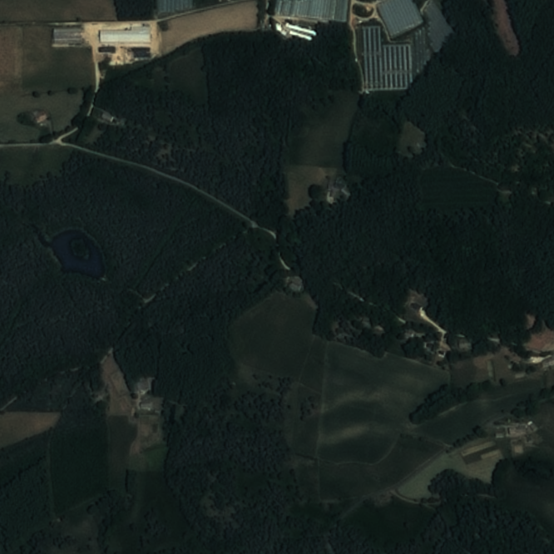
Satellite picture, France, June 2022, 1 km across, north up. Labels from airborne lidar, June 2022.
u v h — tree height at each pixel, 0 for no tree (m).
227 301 14
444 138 9
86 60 0
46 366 12
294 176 0
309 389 0
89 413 13
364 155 30
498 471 19
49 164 0
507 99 20
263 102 13
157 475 0
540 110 21
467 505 6
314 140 0
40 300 14
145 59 0
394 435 0
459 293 20
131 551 0
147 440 0
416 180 17
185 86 0
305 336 0
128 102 15
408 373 0
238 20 0
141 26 0
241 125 13
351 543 11
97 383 14
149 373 23
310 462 0
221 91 15
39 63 0
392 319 15
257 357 0
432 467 0
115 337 10
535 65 21
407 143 0
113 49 0
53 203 16
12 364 16
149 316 23
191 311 15
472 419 0
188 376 25
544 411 0
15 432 0
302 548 12
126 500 10
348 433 0
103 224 13
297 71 15
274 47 14
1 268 11
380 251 19
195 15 0
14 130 0
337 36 21
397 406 0
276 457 13
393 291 20
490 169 15
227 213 9
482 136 12
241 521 14
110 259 13
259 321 0
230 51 12
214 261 16
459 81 25
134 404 0
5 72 0
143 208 18
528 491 0
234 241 9
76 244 8
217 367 24
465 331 17
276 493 13
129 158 12
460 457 0
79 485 6
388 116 25
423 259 21
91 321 15
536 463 14
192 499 9
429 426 0
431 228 17
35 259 12
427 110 24
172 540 0
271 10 11
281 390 14
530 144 14
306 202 0
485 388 17
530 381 0
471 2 27
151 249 15
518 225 18
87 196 13
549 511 0
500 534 18
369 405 0
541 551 25
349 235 21
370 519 0
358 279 19
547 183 10
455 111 13
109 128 11
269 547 14
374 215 17
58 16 0
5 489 21
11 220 9
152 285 16
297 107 15
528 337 16
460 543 17
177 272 11
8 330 13
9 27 0
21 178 0
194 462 17
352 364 0
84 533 0
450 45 20
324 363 0
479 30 29
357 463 0
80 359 13
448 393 31
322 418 0
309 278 27
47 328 17
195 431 13
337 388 0
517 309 22
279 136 13
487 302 21
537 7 32
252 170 15
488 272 19
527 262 23
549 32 26
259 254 15
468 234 20
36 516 26
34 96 11
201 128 13
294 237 15
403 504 0
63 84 0
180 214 16
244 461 15
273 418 11
